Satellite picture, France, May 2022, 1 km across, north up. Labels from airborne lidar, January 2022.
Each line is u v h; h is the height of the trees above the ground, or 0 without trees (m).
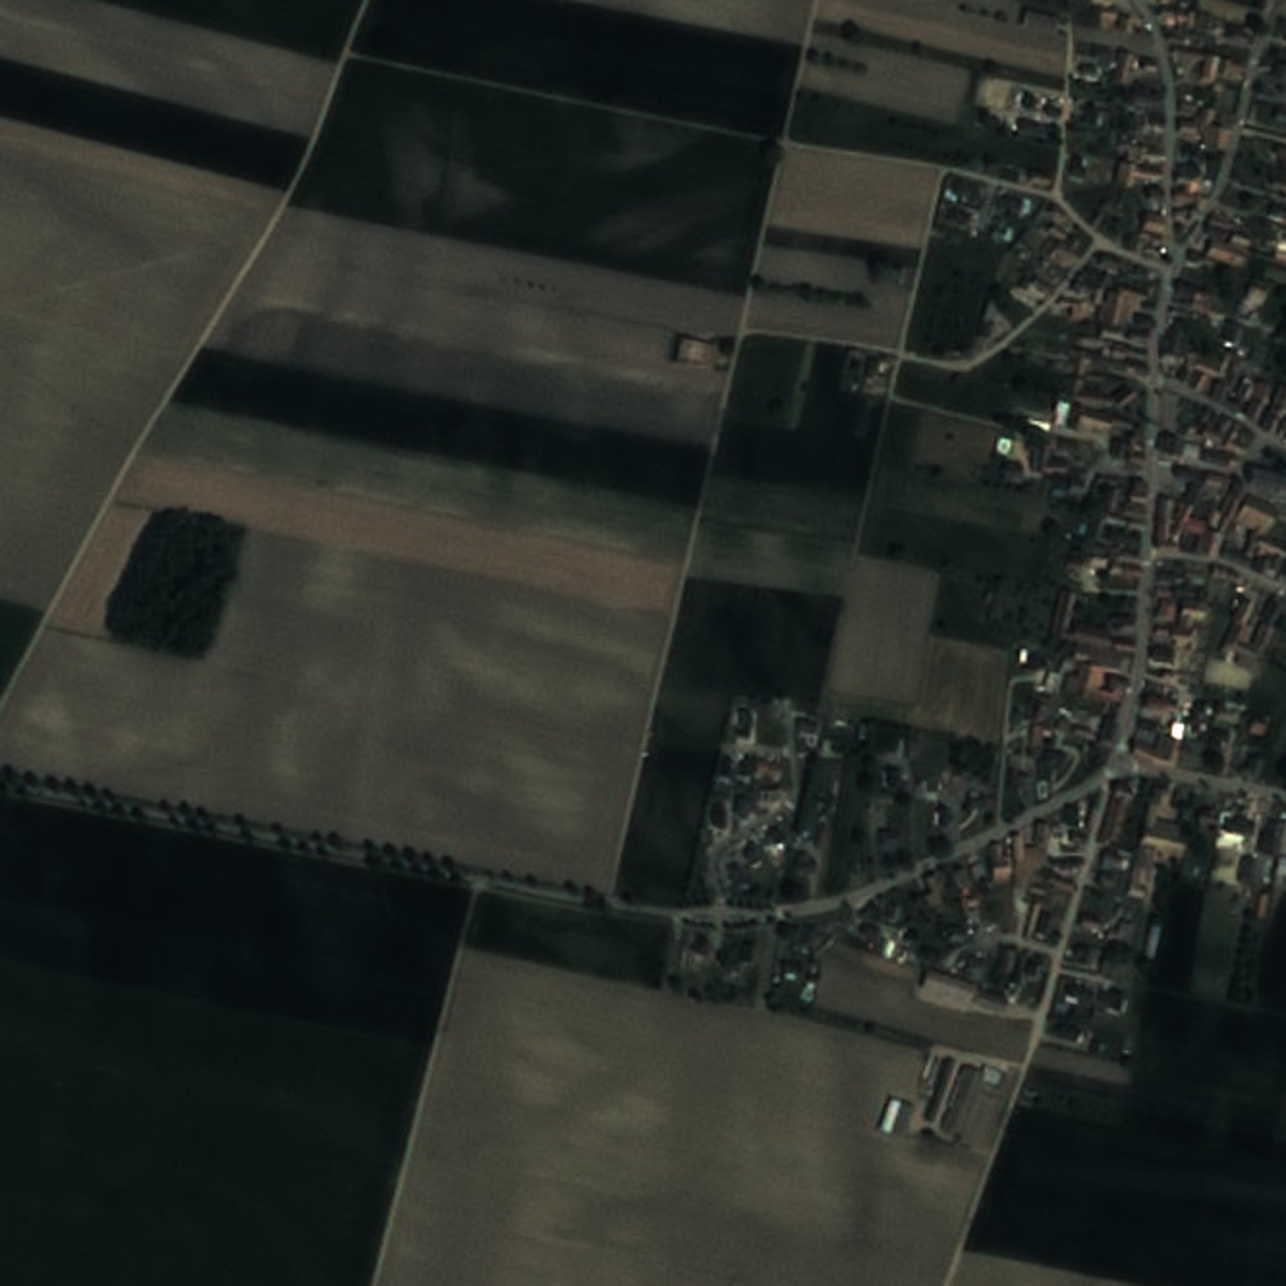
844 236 0
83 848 0
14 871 0
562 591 0
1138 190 0
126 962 0
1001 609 0
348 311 0
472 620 0
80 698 0
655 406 0
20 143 0
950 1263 0
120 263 0
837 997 0
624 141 0
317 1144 0
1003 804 0
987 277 0
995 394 0
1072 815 0
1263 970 0
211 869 0
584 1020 0
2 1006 0
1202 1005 0
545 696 0
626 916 0
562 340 0
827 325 0
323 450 0
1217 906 0
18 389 0
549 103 0
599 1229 0
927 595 0
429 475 0
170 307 0
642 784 0
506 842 0
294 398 0
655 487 0
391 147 0
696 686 0
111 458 0
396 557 0
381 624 0
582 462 0
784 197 0
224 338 0
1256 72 0
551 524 0
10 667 0
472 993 0
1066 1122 0
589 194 0
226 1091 0
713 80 0
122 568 0
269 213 0
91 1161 0
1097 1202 0
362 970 0
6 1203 0
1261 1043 0
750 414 0
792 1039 0
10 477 0
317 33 0
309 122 0
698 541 0
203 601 21
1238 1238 0
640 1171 0
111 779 0
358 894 0
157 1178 0
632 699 0
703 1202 0
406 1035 0
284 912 0
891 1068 0
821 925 0
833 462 0
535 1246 0
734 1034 0
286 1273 0
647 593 0
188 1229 0
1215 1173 0
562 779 0
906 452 0
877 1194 0
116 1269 0
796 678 0
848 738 0
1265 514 0
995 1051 0
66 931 0
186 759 0
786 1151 0
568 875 0
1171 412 0
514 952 0
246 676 0
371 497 0
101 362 0
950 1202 0
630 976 0
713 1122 0
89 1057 0
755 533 0
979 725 0
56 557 0
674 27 0
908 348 0
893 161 0
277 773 0
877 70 0
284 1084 0
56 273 0
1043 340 0
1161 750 0
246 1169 0
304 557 0
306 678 0
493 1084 0
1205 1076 0
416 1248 0
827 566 0
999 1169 0
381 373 0
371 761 0
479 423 0
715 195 0
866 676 0
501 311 0
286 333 0
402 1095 0
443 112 0
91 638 0
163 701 0
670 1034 0
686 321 0
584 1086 0
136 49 0
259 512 0
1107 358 0
